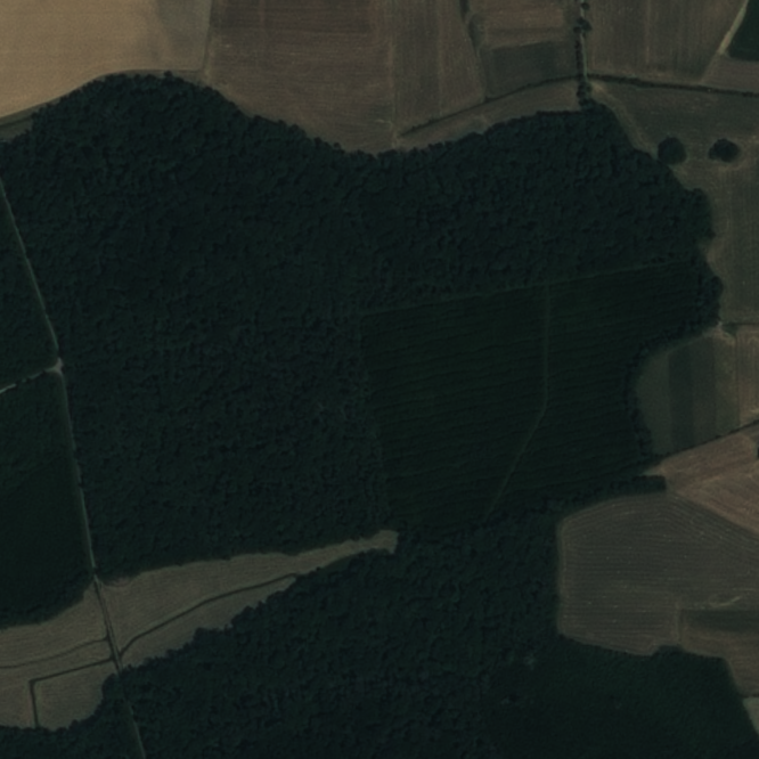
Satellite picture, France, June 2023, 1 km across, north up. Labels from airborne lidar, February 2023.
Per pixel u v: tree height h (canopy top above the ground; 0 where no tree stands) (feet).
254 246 85
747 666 0
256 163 83
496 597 79
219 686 75
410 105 0
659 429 0
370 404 79
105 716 61
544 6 0
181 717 81
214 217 88
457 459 18
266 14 0
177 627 0
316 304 71
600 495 56
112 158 82
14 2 0
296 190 85
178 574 0
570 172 73
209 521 73
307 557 0
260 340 78
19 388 39
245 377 82
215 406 94
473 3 0
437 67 0
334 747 99
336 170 77
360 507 75
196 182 95
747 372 0
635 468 19
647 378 0
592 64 0
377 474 73
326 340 89
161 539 76
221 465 75
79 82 0
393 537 0
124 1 0
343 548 0
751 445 0
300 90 0
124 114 91
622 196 65
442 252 89
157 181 100
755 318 0
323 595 93
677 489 0
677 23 0
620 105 0
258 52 0
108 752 88
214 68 0
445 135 0
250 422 75
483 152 65
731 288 0
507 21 0
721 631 0
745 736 34
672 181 63
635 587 0
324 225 85
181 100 77
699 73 0
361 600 92
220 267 88
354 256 80
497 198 77
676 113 0
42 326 62
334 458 78
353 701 96
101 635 0
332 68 0
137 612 0
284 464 75
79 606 0
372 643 90
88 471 64
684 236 73
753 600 0
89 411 54
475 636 73
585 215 97
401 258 102
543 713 39
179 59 0
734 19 0
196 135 89
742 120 0
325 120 0
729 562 0
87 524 0
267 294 81
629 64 0
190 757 79
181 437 82
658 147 0
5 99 0
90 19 0
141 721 60
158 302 77
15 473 52
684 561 0
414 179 86
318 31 0
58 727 0
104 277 93
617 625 0
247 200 93
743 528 0
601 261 86
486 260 88
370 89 0
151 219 100
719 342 0
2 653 0
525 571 87
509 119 0
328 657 71
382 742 102
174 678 85
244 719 92
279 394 84
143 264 93
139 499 63
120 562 67
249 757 89
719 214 0
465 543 88
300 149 80
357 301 64
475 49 0
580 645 21
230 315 82
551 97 0
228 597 0
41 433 56
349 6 0
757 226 0
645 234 86
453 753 99
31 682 0
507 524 82
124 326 74
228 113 82
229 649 75
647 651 0
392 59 0
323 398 83
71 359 67
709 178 0
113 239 86
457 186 80
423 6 0
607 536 0
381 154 0
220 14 0
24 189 87
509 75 0
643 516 0
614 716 42
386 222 98
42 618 52
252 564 0
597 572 0
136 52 0
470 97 0
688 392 0
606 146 69
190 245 93
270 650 70
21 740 77
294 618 86
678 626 0
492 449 21
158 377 69
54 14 0
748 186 0
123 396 67
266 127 69
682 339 55
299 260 73
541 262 75
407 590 88
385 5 0
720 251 0
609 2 0
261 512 88
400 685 99
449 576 90
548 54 0
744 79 0
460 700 90
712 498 0
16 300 74
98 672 0
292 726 76
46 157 93
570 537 0
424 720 94
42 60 0
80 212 95
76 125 63
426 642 79
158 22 0
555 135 66
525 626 78
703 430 0
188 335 89
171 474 89
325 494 86
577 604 0
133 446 78
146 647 0
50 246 71
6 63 0
